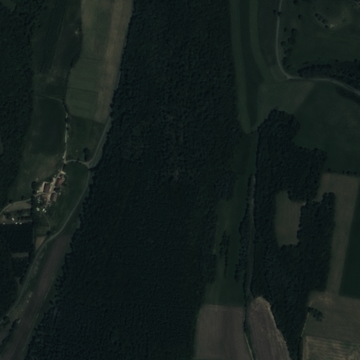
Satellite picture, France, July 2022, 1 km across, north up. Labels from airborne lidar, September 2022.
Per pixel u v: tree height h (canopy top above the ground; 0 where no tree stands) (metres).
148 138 12
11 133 11
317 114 0
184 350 16
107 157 21
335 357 0
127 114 19
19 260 6
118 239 17
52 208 0
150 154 13
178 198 13
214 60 17
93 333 17
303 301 17
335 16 0
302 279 13
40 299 0
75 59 6
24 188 0
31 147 0
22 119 18
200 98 15
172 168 19
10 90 18
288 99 0
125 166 18
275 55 0
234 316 0
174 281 12
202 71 22
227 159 17
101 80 0
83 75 0
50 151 0
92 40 0
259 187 16
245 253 14
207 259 19
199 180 11
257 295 14
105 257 19
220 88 18
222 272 0
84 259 18
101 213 22
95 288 19
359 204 0
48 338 18
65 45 0
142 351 14
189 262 12
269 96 0
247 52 0
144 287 16
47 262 0
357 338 0
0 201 11
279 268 19
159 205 12
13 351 0
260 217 11
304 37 0
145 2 22
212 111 17
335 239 0
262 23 0
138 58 12
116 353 19
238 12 0
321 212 20
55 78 0
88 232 21
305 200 13
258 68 0
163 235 14
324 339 0
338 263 0
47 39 6
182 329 22
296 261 10
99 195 21
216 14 20
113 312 21
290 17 0
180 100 21
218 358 0
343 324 0
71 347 28
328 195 13
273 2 0
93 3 0
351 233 0
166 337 18
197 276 14
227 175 18
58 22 6
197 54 15
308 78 24
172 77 20
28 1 15
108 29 0
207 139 20
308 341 0
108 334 15
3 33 19
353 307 0
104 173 19
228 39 19
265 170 17
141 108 22
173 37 21
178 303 13
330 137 0
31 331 0
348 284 0
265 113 0
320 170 25
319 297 0
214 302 0
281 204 0
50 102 0
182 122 17
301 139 0
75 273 21
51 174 0
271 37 0
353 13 0
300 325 16
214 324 0
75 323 11
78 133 0
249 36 0
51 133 0
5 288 14
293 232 0
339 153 0
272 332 0
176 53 24
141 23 20
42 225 0
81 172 0
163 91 20
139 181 15
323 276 18
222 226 0
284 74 0
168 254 15
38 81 0
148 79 18
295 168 14
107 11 0
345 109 0
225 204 0
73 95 0
